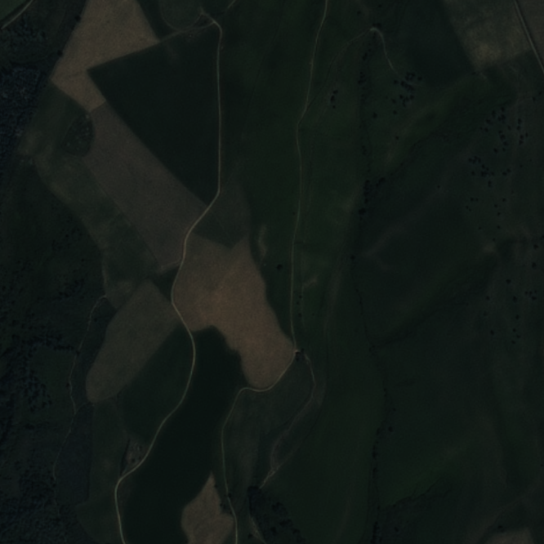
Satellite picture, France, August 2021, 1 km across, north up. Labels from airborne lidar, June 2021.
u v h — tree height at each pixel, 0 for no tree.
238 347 0
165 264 0
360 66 0
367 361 0
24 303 0
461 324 0
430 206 0
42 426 6
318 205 0
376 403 0
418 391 0
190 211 0
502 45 0
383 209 0
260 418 0
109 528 0
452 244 0
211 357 0
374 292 0
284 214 0
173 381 0
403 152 0
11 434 18
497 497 0
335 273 0
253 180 0
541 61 0
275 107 0
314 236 0
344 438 0
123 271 0
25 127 10
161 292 0
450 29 0
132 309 0
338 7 0
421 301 0
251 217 0
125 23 0
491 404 0
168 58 0
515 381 0
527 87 0
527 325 0
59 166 0
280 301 0
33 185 0
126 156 0
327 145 0
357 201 0
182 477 0
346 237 0
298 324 0
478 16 0
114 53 0
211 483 0
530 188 0
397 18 0
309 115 0
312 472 0
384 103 0
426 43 0
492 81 0
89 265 0
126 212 0
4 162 15
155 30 0
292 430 0
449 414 0
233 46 0
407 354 0
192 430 0
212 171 0
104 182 0
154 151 0
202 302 0
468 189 0
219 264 0
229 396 0
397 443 0
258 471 0
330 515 0
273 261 0
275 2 0
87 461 0
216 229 0
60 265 0
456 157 0
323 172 0
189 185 0
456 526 0
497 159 0
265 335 0
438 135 0
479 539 0
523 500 0
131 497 0
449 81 0
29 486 8
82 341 0
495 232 0
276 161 0
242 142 0
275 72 0
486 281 0
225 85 0
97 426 0
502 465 0
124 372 0
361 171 0
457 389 0
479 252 0
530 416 0
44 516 17
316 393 0
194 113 0
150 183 0
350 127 0
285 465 0
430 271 0
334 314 0
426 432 0
